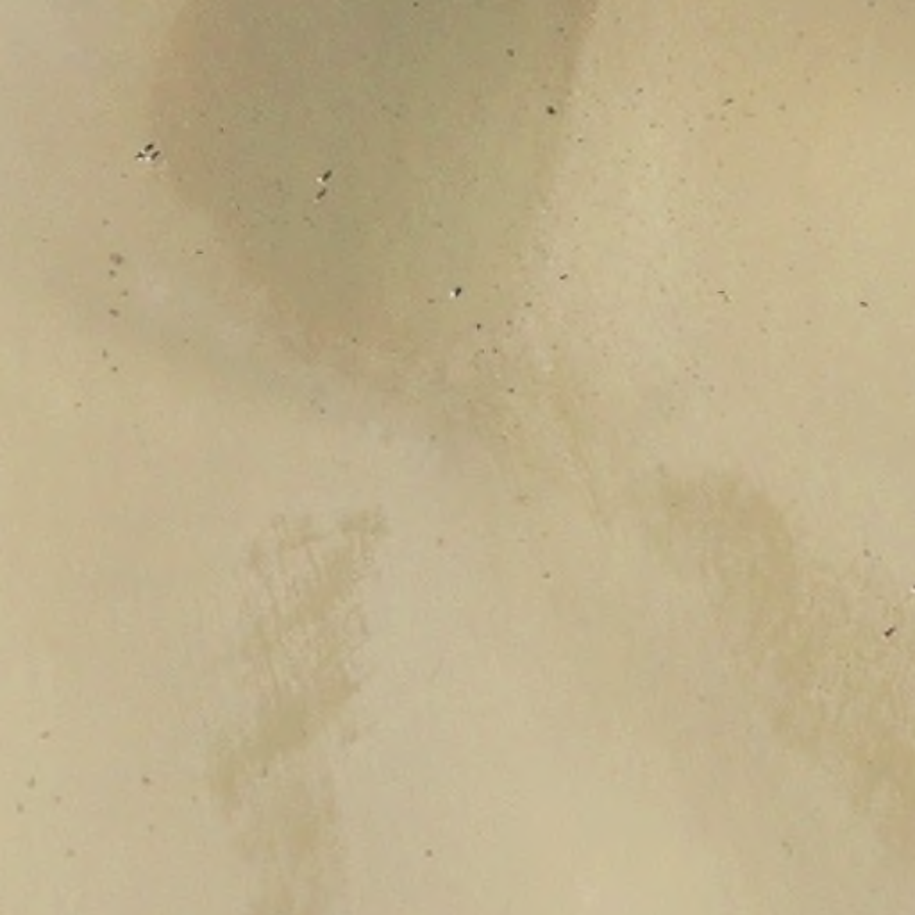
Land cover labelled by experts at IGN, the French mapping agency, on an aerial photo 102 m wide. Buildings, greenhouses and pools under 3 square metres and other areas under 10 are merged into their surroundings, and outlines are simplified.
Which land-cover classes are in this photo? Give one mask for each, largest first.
<instances>
[{"label":"bare soil","instance_id":"1","mask_svg":"<svg viewBox=\"0 0 915 915\"><path fill-rule=\"evenodd\" d=\"M0 915H915V0H0Z\"/></svg>","mask_w":915,"mask_h":915}]
</instances>
